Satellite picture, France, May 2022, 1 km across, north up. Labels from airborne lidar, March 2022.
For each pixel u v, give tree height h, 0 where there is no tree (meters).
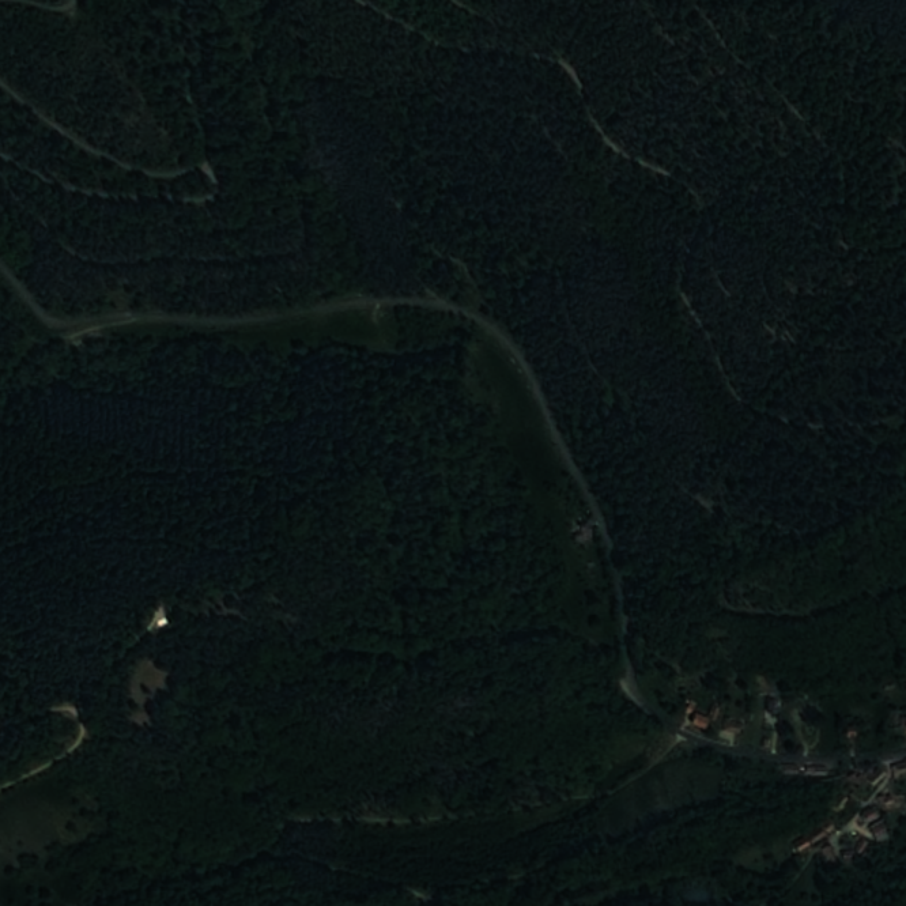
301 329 0
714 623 12
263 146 13
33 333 12
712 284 24
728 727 8
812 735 0
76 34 7
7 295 22
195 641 23
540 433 0
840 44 14
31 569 25
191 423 25
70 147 26
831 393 11
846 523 26
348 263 26
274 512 33
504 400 0
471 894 19
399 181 23
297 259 21
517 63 25
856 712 0
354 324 0
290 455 20
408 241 17
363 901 24
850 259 19
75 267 22
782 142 25
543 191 34
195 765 21
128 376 26
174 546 29
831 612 19
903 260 34
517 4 19
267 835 30
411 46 26
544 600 23
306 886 20
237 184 25
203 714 28
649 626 16
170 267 23
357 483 20
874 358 9
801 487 39
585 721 19
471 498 28
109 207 22
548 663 26
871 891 12
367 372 21
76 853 21
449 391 23
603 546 11
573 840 8
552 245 30
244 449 27
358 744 16
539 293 24
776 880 18
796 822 14
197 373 9
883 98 7
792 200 20
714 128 29
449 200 23
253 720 27
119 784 18
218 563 28
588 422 18
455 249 24
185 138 20
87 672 26
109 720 19
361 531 23
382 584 6
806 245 16
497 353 0
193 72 29
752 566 17
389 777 17
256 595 18
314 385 26
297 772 20
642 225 23
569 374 18
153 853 20
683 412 22
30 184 18
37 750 12
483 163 35
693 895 0
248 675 27
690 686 0
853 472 25
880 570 26
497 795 29
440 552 28
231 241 16
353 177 32
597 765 36
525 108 38
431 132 37
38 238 18
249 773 28
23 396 24
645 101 24
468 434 27
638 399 23
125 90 7
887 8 22
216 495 29
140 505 27
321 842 28
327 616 23
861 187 10
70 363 22
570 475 8
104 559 26
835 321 17
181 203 22
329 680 25
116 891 17
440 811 0
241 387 25
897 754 0
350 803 29
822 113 9
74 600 25
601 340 25
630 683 0
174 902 20
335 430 21
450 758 20
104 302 13
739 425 22
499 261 19
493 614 23
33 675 28
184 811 16
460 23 13
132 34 8
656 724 18
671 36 19
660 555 20
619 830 0
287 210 22
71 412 27
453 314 9
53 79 12
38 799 0
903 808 0
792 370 16
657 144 26
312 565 24
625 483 24
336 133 30
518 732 22
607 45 23
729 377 12
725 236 25
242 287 23
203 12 31
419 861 7
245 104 25
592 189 21
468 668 22
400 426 16
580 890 28
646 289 18
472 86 34
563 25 22
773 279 21
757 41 20
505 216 36
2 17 9
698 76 27
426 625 25
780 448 33
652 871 30
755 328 22
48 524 15
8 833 0
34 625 28
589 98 20
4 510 22
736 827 16
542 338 21
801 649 24
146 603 26
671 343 22
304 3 28
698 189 28
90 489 22
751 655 21
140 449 28
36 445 23
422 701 16
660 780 0
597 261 25
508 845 9
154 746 20
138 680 0
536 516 8
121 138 8
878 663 21
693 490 27
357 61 24
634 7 24
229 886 26
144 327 0
